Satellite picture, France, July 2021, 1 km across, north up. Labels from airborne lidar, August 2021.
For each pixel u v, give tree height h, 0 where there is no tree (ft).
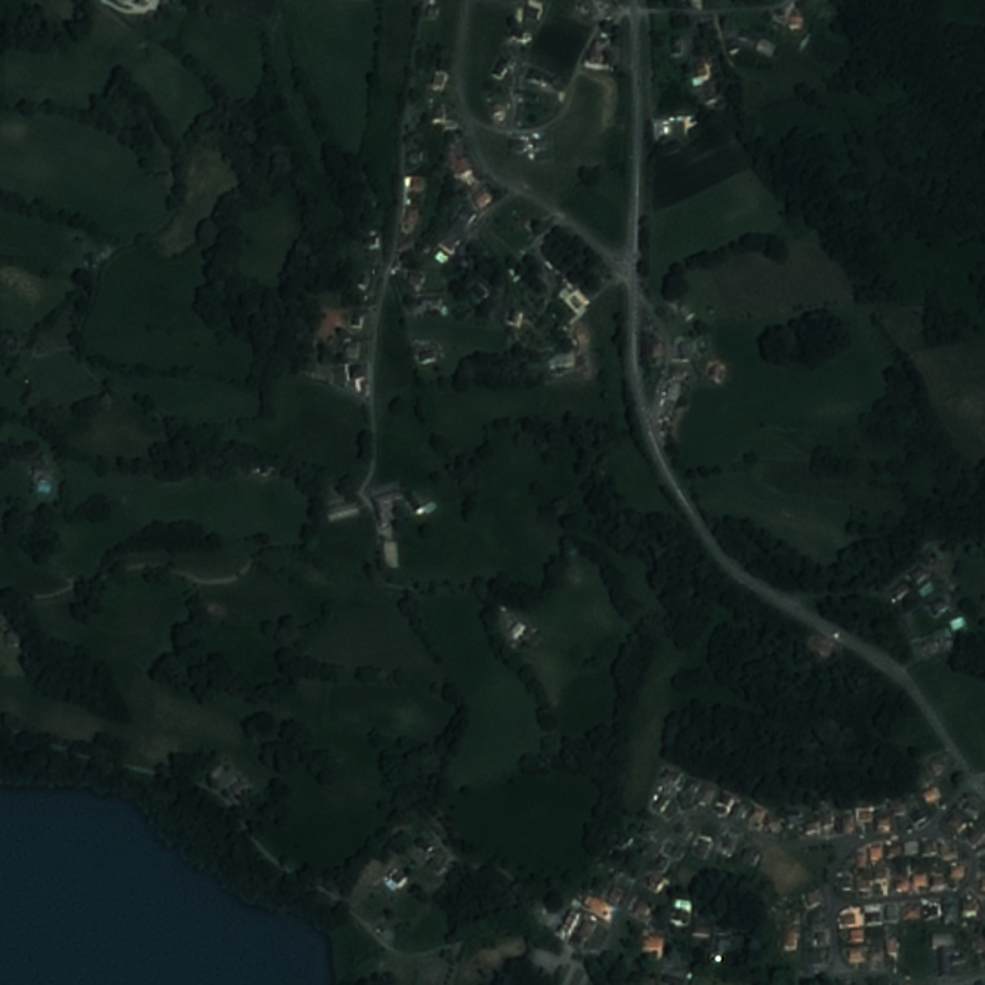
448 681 21
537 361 37
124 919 0
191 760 74
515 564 0
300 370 58
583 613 0
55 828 0
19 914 0
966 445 0
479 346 0
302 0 0
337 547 0
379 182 42
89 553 0
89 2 49
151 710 0
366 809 0
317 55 0
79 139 0
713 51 21
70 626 0
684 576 89
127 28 0
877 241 45
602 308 0
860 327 0
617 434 59
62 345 0
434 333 0
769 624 34
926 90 42
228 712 0
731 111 40
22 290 0
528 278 48
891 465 32
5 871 0
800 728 94
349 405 0
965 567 29
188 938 0
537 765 43
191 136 40
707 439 0
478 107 0
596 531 59
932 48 50
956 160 31
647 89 0
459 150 0
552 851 0
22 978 0
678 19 45
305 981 0
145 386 0
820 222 53
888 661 0
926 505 38
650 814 27
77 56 0
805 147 68
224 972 0
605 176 44
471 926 71
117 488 0
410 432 0
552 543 0
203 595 26
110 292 0
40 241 0
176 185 26
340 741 0
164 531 46
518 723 0
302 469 51
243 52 0
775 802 53
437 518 0
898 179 35
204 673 75
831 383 0
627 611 60
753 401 0
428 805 53
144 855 0
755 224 0
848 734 85
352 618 0
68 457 46
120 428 0
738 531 46
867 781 52
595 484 56
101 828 0
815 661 72
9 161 0
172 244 0
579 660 0
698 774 50
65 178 0
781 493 0
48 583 0
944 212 41
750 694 72
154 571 42
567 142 0
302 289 70
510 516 0
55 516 49
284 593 0
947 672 0
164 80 0
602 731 69
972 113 35
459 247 35
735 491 0
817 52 0
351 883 69
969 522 60
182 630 70
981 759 0
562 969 30
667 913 50
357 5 0
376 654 0
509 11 0
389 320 0
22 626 71
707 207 0
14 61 0
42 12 69
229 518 0
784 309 0
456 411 0
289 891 77
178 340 0
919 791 29
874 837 0
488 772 0
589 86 0
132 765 26
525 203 0
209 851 83
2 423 70
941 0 30
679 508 41
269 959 0
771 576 74
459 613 0
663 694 0
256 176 75
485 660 0
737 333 0
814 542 0
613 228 0
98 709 41
